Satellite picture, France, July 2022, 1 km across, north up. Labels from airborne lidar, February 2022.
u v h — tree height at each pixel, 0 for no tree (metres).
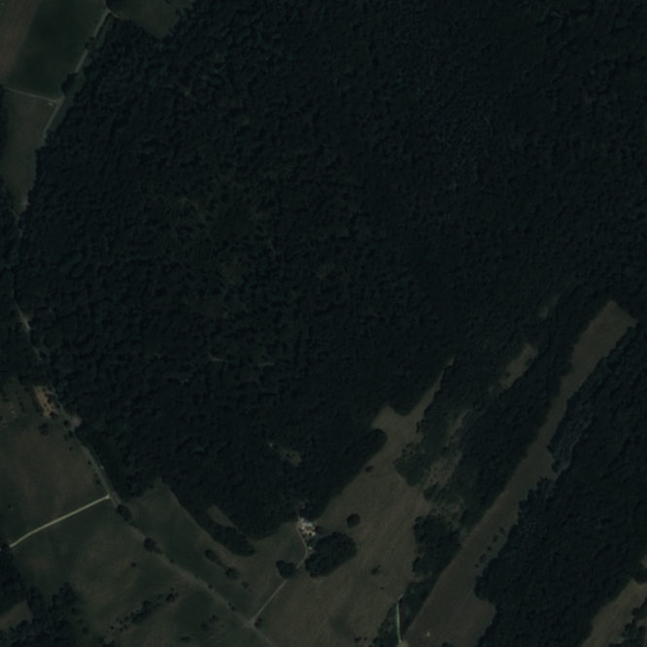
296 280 25
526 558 18
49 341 26
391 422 0
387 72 19
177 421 20
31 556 0
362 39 14
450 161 20
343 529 0
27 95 0
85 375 30
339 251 25
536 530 22
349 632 0
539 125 21
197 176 23
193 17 15
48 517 0
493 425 15
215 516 0
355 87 18
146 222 6
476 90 19
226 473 17
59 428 0
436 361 19
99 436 7
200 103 21
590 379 5
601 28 29
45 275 25
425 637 0
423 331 22
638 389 22
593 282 19
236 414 24
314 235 21
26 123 0
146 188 24
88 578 0
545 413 11
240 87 25
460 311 20
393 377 17
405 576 0
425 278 10
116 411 26
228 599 0
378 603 0
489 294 15
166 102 35
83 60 0
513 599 22
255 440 19
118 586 0
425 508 0
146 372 27
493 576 20
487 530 0
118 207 21
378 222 16
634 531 13
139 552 0
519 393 10
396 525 0
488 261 20
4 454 0
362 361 16
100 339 30
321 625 0
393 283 24
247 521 16
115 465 6
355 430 13
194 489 23
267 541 0
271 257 25
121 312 29
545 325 10
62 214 21
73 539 0
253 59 29
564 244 6
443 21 23
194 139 23
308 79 8
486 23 21
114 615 0
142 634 0
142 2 0
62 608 14
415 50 19
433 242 16
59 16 0
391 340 20
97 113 21
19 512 0
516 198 16
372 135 21
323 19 16
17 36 0
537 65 17
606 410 20
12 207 7
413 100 19
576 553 16
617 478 15
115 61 11
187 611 0
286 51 21
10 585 22
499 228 24
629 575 19
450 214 17
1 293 29
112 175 33
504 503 0
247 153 24
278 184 19
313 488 16
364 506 0
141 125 32
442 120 23
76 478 0
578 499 26
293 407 19
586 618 18
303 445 14
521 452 20
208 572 0
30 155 0
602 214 16
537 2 26
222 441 14
